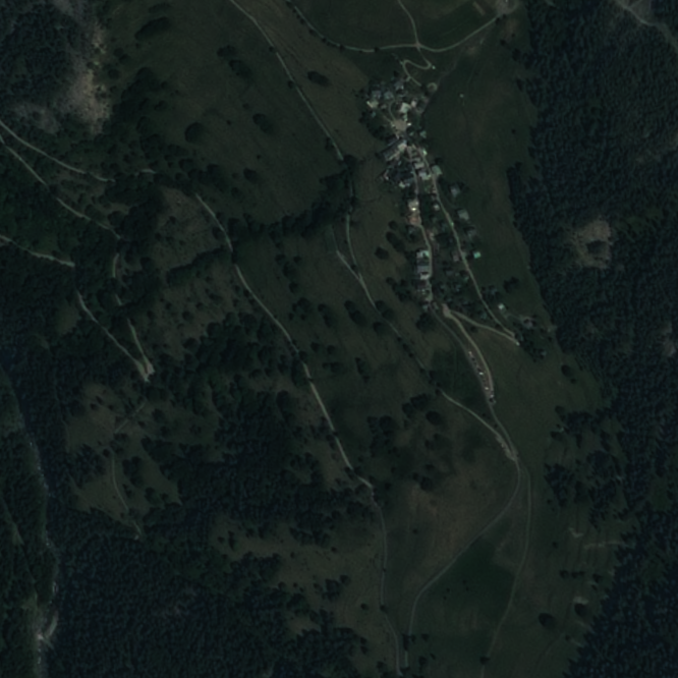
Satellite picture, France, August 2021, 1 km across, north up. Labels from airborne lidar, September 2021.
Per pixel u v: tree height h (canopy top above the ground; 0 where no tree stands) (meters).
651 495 28
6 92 11
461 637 0
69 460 23
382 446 14
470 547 0
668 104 16
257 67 0
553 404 0
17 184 23
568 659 0
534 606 0
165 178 16
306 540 17
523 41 0
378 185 0
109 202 13
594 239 0
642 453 20
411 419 13
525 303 0
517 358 0
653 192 12
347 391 0
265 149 0
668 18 16
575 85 20
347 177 10
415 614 0
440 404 0
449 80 0
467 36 0
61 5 0
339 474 0
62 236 21
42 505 10
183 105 0
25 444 8
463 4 0
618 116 10
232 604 15
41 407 24
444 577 0
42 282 21
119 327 24
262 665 20
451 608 0
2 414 21
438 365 0
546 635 0
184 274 19
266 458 26
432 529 0
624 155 13
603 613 0
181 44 0
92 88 0
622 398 12
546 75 20
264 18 0
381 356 0
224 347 21
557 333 0
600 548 0
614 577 0
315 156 0
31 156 13
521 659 0
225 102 0
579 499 11
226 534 0
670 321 7
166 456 23
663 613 30
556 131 21
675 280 14
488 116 0
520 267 0
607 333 7
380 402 0
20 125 6
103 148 13
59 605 8
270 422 28
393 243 15
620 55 10
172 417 0
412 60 0
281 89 0
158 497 17
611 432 0
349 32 0
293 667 10
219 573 9
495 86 0
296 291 17
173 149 11
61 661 15
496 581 0
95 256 22
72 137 13
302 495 20
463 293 10
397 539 0
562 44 18
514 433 0
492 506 0
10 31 10
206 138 0
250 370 16
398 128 0
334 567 0
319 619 18
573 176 15
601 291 12
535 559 0
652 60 19
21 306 22
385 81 0
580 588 0
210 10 0
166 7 9
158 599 21
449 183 9
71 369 23
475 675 0
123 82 0
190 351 19
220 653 22
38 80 12
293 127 0
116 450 13
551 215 21
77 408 20
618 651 18
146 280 17
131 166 22
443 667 0
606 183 16
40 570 22
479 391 0
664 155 7
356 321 19
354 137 0
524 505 0
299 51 0
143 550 24
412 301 6
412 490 0
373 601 0
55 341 25
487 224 0
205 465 16
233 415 23
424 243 0
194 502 28
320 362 0
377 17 0
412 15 0
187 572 9
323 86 16
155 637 29
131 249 15
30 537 21
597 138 10
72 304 14
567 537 0
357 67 0
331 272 0
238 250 18
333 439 13
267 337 22
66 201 14
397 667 0
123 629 23
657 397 20
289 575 0
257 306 17
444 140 0
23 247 19
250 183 16
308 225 17
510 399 0
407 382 0
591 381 0
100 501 0
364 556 0
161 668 24
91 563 17
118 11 0
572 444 0
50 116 0
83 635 16
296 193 0
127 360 17
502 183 0
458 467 0
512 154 0
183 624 23
